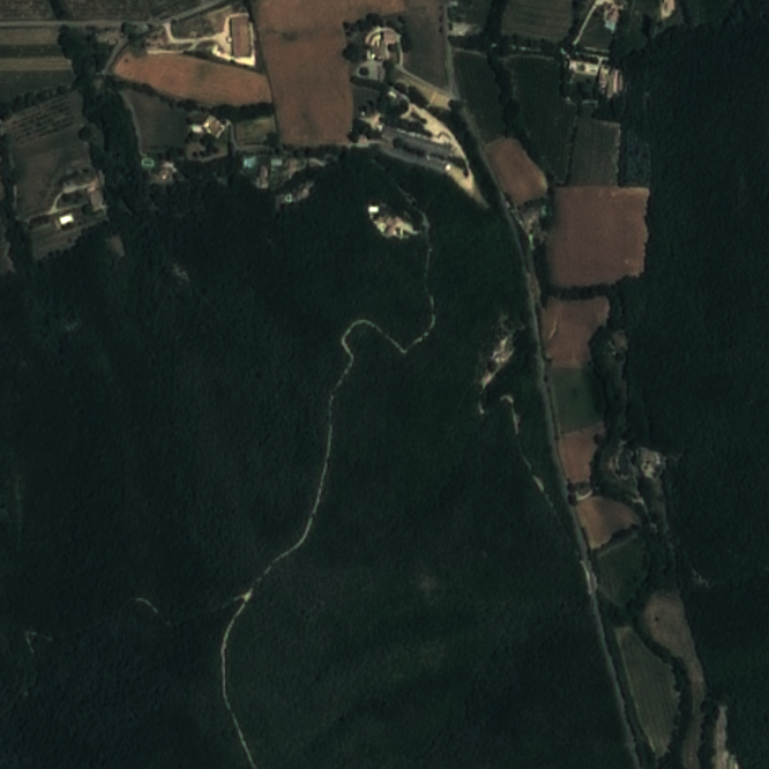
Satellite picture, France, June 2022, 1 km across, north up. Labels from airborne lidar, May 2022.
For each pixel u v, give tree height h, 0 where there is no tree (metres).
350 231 8
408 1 0
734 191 6
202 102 0
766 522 7
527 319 13
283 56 0
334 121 0
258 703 7
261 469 7
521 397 11
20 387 7
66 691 8
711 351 9
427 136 14
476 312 7
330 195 14
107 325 7
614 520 0
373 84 11
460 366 6
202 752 9
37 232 0
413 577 8
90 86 15
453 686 6
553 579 8
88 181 0
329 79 0
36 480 6
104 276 7
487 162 0
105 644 11
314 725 5
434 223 9
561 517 8
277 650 9
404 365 8
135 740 8
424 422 6
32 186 0
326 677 9
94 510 8
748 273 6
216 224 7
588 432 0
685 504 7
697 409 9
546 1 0
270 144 7
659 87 9
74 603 11
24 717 9
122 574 9
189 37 0
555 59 9
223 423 6
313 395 7
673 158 10
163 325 6
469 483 7
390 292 7
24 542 6
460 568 8
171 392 7
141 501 9
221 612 6
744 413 6
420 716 6
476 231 12
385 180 11
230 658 7
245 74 0
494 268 9
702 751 8
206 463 5
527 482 8
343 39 0
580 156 0
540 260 16
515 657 7
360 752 7
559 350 0
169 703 10
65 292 8
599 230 0
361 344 6
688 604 10
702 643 11
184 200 10
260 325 8
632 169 11
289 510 6
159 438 8
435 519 7
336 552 6
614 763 7
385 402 7
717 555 7
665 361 9
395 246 8
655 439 14
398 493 7
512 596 8
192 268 5
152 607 7
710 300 8
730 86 7
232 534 7
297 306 11
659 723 0
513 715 8
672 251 7
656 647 13
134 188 13
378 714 9
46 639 7
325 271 7
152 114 0
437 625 8
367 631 8
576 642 9
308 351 7
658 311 10
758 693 11
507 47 17
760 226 7
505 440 8
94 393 9
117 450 7
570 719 7
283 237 12
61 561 13
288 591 7
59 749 11
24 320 10
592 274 0
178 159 14
